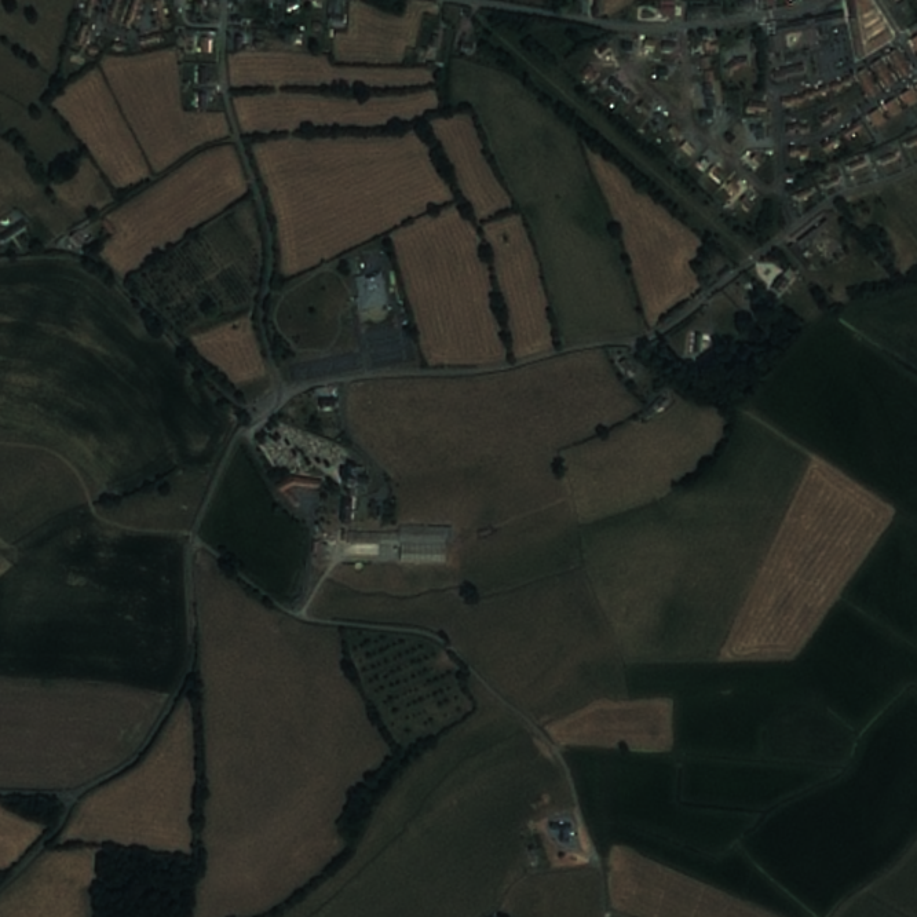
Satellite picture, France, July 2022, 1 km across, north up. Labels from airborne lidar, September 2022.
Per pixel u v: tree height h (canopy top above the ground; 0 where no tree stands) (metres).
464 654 0
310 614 0
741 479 0
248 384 0
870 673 0
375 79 0
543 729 0
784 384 0
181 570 0
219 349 0
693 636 0
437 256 0
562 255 0
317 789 0
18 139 14
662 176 0
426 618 0
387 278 0
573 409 0
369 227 0
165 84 0
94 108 0
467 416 0
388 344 0
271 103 0
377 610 0
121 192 11
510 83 0
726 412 21
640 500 0
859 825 0
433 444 0
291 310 0
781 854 0
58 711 0
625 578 0
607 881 0
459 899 0
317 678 0
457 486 0
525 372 0
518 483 0
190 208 0
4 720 0
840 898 0
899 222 0
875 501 0
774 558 0
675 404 0
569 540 0
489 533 0
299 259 0
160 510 0
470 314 0
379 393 0
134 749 0
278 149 0
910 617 0
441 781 0
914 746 0
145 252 0
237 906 0
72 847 12
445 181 10
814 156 0
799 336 22
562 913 0
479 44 11
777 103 0
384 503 6
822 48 0
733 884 0
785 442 0
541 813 0
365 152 0
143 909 21
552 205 0
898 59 0
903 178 0
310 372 0
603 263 0
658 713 0
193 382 12
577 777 0
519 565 0
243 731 0
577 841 0
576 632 0
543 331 0
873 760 0
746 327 23
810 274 0
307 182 0
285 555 0
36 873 0
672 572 0
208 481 0
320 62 0
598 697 0
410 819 0
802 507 0
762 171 0
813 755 0
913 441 0
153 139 0
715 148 0
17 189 0
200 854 13
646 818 0
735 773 0
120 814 0
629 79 0
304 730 0
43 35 0
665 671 0
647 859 0
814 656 0
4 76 0
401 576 0
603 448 0
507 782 0
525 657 0
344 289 0
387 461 0
